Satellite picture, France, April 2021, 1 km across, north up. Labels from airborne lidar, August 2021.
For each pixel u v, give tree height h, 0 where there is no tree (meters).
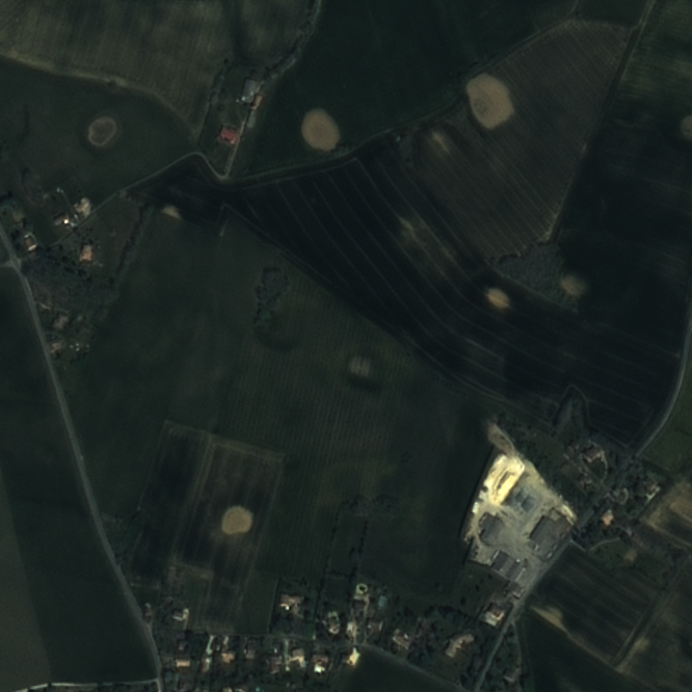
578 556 0
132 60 0
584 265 0
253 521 0
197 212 0
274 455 0
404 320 0
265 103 0
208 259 0
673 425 0
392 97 0
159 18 0
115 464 0
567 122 0
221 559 0
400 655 11
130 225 0
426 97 0
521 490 0
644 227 0
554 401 0
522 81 0
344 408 0
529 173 0
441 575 0
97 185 0
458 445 0
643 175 0
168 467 0
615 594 0
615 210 0
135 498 0
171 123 0
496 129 0
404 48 0
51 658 0
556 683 0
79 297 17
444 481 0
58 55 0
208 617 0
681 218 0
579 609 0
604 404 0
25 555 0
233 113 0
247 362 0
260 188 0
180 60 0
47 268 18
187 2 0
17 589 0
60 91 0
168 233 0
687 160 0
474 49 0
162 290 0
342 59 0
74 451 0
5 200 12
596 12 0
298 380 0
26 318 0
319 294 0
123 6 0
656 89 0
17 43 0
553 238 0
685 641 0
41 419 0
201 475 0
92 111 0
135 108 0
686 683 0
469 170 0
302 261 0
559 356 0
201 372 0
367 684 0
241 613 0
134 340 0
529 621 0
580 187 0
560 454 0
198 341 0
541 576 0
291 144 0
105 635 0
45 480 0
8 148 6
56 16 0
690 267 0
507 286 0
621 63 0
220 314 0
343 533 0
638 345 0
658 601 0
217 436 0
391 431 0
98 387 0
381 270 0
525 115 0
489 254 0
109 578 0
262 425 0
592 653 0
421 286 0
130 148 0
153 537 0
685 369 0
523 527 0
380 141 0
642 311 0
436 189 0
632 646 0
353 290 0
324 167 0
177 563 0
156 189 0
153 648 0
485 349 0
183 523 0
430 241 0
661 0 0
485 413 0
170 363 0
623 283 0
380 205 0
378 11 0
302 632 19
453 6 0
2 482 0
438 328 0
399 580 0
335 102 0
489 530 0
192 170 0
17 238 11
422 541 0
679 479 0
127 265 14
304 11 0
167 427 0
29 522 0
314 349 0
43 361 0
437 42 0
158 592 0
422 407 0
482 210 0
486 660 7
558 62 0
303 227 0
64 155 0
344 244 0
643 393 0
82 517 0
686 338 0
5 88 0
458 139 0
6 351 0
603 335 0
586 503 11
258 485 0
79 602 0
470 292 0
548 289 15
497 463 0
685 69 0
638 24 0
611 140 0
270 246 0
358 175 0
